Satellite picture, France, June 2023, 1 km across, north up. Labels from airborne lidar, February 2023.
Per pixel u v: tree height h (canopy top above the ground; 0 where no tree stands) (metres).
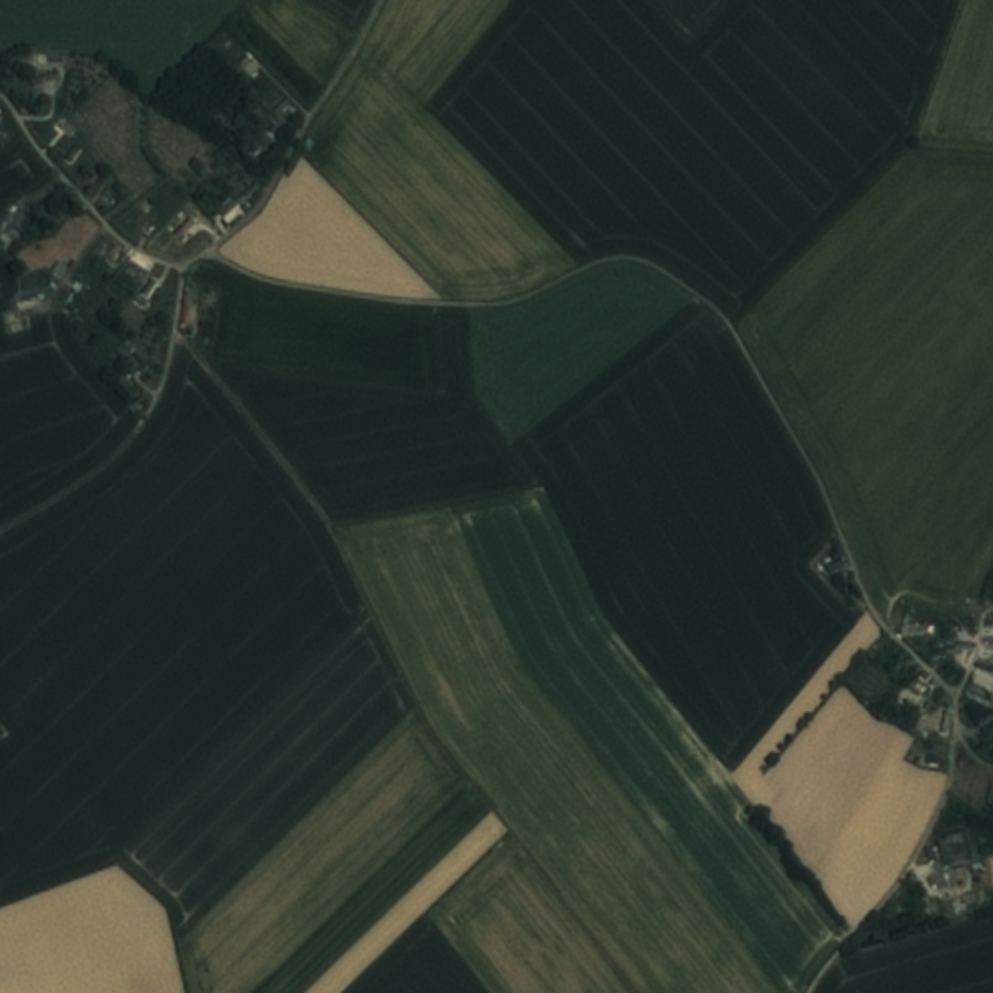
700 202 0
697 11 0
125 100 0
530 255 0
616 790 0
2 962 0
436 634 0
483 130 0
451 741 0
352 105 0
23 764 0
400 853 0
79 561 0
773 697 0
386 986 0
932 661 10
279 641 0
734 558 0
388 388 0
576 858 0
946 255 0
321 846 0
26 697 0
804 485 0
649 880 0
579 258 0
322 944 0
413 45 0
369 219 0
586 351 0
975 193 0
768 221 0
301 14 0
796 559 0
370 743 0
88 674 0
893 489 0
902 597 0
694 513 0
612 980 0
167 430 0
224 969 0
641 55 0
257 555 0
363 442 0
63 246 0
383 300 0
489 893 0
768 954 0
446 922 0
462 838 0
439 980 0
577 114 0
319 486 0
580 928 0
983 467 0
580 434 0
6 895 0
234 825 0
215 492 0
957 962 0
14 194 0
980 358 0
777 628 0
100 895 0
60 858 0
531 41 0
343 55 0
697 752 0
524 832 0
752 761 0
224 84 20
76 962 0
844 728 0
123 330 10
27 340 0
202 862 0
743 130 0
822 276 0
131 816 0
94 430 0
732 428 0
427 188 0
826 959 0
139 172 0
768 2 0
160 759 0
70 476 0
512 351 0
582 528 0
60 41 0
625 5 0
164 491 0
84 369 0
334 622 0
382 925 0
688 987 0
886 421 0
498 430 0
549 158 0
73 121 0
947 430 0
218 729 0
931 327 0
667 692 0
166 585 0
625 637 0
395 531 0
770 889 0
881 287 0
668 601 0
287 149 17
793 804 0
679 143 0
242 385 0
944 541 0
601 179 0
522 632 0
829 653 0
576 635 0
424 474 0
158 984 0
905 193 0
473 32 0
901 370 0
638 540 0
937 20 0
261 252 0
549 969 0
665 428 0
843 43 0
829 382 0
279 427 0
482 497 0
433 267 0
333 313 0
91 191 15
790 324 0
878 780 0
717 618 0
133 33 0
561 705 0
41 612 0
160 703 0
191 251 0
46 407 0
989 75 0
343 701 0
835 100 0
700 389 0
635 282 0
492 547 0
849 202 0
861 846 0
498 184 0
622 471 0
